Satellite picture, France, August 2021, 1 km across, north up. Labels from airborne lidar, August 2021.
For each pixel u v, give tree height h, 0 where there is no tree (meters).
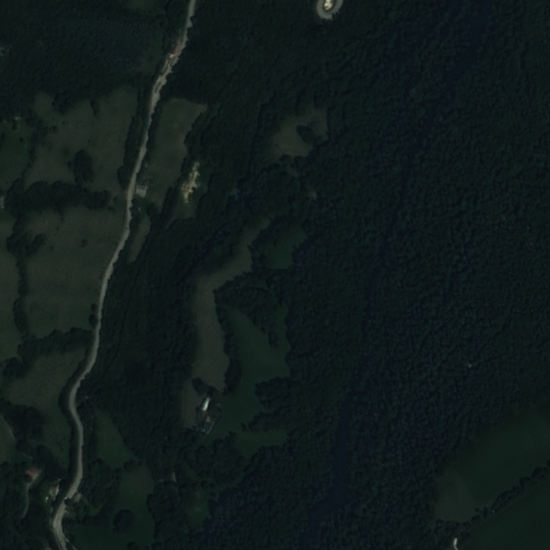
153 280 29
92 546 0
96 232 0
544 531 0
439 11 28
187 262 27
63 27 9
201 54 18
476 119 25
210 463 10
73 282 0
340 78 27
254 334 0
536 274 24
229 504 23
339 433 17
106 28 25
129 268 15
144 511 0
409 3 28
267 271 17
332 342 21
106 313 18
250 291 23
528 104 24
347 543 15
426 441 19
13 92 18
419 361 23
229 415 0
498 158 20
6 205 7
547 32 14
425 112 23
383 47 30
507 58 24
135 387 23
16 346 0
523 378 24
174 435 38
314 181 21
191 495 17
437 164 21
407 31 27
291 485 26
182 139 0
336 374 22
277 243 11
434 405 17
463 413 27
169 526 31
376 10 24
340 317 20
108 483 10
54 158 0
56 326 0
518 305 30
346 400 18
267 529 25
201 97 21
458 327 22
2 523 20
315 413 22
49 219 0
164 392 33
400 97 23
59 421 0
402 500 9
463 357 24
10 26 16
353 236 20
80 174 8
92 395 17
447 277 17
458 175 21
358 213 20
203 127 6
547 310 23
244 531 31
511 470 0
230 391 9
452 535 13
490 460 0
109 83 17
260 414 0
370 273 20
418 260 26
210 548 29
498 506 12
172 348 28
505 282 27
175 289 34
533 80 21
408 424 18
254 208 32
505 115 25
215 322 0
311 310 26
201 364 0
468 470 0
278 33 16
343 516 17
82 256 0
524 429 0
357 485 14
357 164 21
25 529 16
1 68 12
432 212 17
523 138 21
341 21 22
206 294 0
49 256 0
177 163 0
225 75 12
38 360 12
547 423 0
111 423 0
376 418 24
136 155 7
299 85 33
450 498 0
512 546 0
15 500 12
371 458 19
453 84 29
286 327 0
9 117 21
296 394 31
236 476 15
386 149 23
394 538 19
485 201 20
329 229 25
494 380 19
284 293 26
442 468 24
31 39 13
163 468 24
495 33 21
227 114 17
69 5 19
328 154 19
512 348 26
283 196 22
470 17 15
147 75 8
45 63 9
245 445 0
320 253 27
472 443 23
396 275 27
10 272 0
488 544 0
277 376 0
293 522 19
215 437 0
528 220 23
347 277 20
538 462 0
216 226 32
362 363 9
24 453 11
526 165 26
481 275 22
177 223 15
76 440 14
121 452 0
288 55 18
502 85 21
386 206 21
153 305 28
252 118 44
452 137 24
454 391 18
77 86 21
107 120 0
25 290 14
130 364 28
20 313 15
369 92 22
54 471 24
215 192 15
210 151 9
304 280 20
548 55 25
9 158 0
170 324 26
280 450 11
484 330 18
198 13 10
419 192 17
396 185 30
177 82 23
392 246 16
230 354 22
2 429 0
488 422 20
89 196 22
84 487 11
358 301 20
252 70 17
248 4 23
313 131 13
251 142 43
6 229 0
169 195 12
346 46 26
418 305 27
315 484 20
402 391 13
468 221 22
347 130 13
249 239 0
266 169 15
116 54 21
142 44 18
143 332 19
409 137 26
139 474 0
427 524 17
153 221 11
